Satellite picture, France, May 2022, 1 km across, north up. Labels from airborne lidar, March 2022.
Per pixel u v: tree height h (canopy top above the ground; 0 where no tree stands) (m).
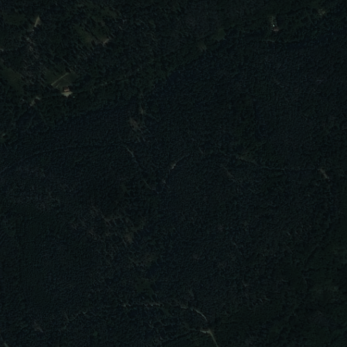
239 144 9
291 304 27
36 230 14
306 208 24
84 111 25
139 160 31
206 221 19
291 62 29
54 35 13
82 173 27
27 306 23
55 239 24
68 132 24
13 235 10
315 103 20
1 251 24
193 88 26
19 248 20
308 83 24
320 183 21
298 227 21
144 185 25
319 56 27
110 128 21
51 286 21
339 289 21
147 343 26
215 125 25
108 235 23
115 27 33
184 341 13
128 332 26
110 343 26
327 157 21
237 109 29
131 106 28
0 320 28
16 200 23
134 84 27
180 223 25
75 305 23
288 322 24
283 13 22
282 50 26
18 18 0
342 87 24
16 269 21
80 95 18
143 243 29
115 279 26
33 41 29
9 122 31
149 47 31
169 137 22
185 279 28
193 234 20
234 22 26
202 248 22
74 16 31
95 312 25
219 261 23
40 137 21
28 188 13
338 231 19
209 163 23
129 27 30
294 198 28
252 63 22
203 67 24
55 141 29
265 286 22
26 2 13
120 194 21
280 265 23
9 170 24
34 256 12
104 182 22
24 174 22
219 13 23
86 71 33
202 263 28
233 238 28
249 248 25
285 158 23
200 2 31
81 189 23
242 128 6
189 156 20
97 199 23
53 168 26
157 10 27
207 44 10
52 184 22
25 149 22
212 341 9
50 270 11
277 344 26
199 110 27
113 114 28
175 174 18
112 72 28
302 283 24
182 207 24
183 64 15
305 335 21
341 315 24
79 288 22
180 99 25
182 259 29
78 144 29
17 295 21
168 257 30
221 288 12
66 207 18
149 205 35
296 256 25
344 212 21
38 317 23
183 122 24
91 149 22
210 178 21
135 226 29
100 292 29
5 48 18
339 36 23
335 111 24
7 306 27
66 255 22
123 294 22
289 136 22
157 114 28
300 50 26
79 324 24
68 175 30
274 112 19
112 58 31
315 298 21
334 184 24
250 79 30
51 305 14
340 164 22
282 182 11
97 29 0
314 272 27
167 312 0
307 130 19
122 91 26
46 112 19
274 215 22
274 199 23
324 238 22
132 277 26
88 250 21
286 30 16
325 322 24
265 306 11
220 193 24
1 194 12
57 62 29
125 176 25
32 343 26
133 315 26
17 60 24
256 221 22
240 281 6
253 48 25
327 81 26
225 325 8
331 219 22
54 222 14
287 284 25
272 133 28
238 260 25
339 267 22
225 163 27
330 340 26
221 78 27
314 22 21
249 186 24
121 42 11
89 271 26
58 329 21
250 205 25
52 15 29
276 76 25
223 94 25
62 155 23
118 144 25
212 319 13
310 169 18
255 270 25
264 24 15
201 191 20
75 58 33
